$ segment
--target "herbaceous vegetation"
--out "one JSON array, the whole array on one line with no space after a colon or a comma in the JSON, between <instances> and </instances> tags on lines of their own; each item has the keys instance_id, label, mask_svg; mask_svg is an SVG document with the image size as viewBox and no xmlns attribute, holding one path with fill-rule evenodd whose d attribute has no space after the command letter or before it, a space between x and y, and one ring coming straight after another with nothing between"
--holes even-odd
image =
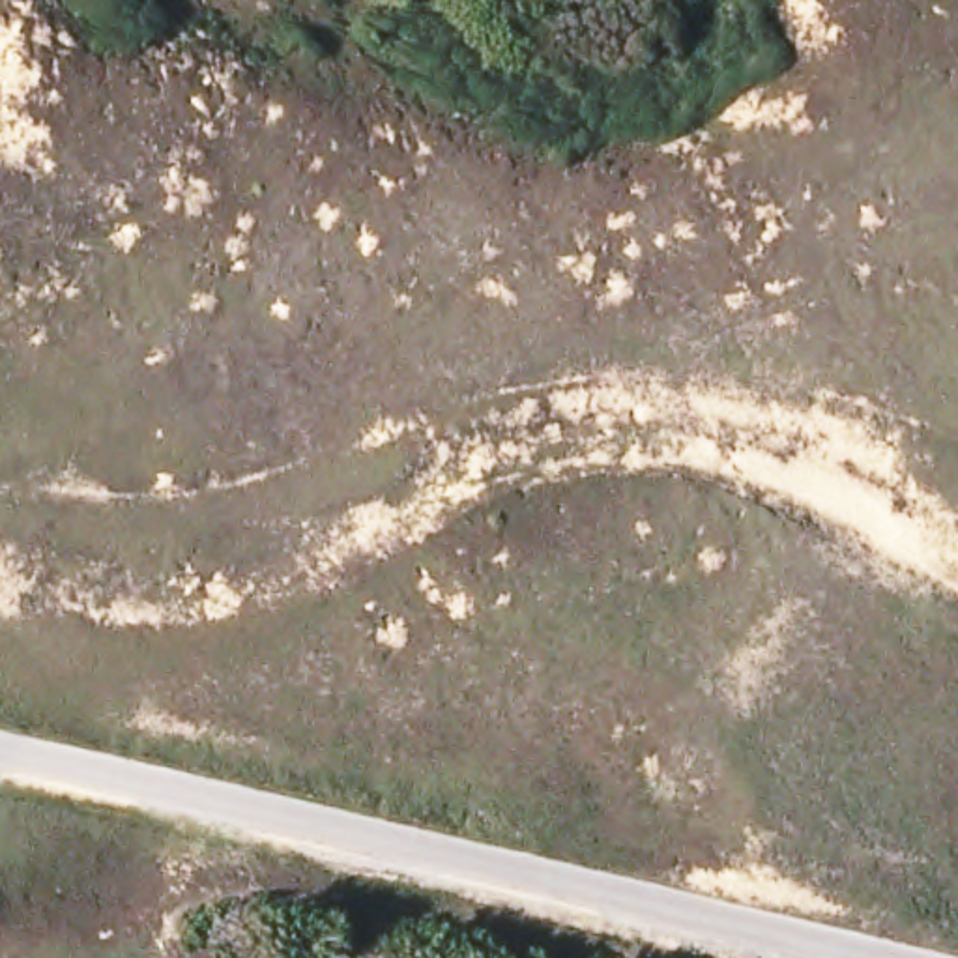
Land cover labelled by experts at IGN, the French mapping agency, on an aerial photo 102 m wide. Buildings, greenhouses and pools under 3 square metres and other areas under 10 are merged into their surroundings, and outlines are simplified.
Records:
<instances>
[{"instance_id":1,"label":"herbaceous vegetation","mask_svg":"<svg viewBox=\"0 0 958 958\"><path fill-rule=\"evenodd\" d=\"M153 49L161 49L168 37L183 30L191 22L195 0L146 0L161 11L161 26L150 30Z\"/></svg>"},{"instance_id":2,"label":"herbaceous vegetation","mask_svg":"<svg viewBox=\"0 0 958 958\"><path fill-rule=\"evenodd\" d=\"M385 958L382 951L374 951L378 939L393 936L400 921L419 921L430 902L460 917L475 917L475 909L483 906L457 891L341 876L326 891L307 894L303 913L344 913L348 943L359 958Z\"/></svg>"},{"instance_id":3,"label":"herbaceous vegetation","mask_svg":"<svg viewBox=\"0 0 958 958\"><path fill-rule=\"evenodd\" d=\"M573 468L535 490L501 486L472 501L457 501L438 516L442 528L430 531L423 543L393 543L385 558L359 550L341 565L341 588L318 595L307 591L307 576L296 565L299 520L333 524L337 516L370 501L400 505L415 494L415 479L434 464L434 445L412 434L400 434L378 449L363 449L363 434L378 419L430 415L438 438L445 438L445 427L468 423L486 412L520 408L513 397L498 397L498 385L610 367L662 370L670 389L685 389L692 374L715 374L719 382L733 378L745 389L752 382L752 363L775 363L778 370L820 367L827 389L853 397L872 397L876 389L887 389L894 397L894 412L921 415L917 449L932 453L932 468L921 468L913 475L924 490L939 494L947 509L958 513L958 0L820 0L820 15L823 22L838 26L838 41L831 41L827 49L797 49L790 75L782 75L771 86L741 94L733 105L722 109L722 116L707 120L700 131L670 142L610 142L584 165L565 165L565 157L554 146L509 138L501 131L509 112L505 101L472 120L460 116L449 97L434 97L430 86L393 86L382 71L367 64L367 52L352 41L341 41L337 56L318 52L311 64L284 52L277 64L262 67L262 79L251 90L236 82L232 112L195 112L195 90L187 86L187 79L172 86L172 75L157 79L157 64L150 52L135 60L112 60L109 52L97 52L86 37L82 19L75 19L60 0L30 0L34 11L22 22L22 64L41 67L41 79L26 90L26 116L49 127L52 135L52 172L26 176L0 161L0 543L11 543L19 554L41 550L41 584L56 584L79 561L105 561L105 576L112 580L123 573L135 573L138 580L146 573L161 573L168 580L183 576L187 565L195 565L195 576L206 584L213 576L225 576L228 588L236 588L240 580L266 584L281 573L292 580L292 599L277 599L266 606L247 599L236 614L206 617L202 625L109 625L90 621L86 614L64 614L52 636L26 640L7 621L11 632L0 640L0 730L659 883L666 872L726 872L726 864L719 861L719 835L692 831L692 808L685 808L681 801L659 801L651 793L644 760L666 752L674 741L715 745L722 748L726 767L741 775L741 782L752 793L752 823L771 835L763 864L775 868L782 879L793 879L846 906L846 913L816 913L812 921L958 954L958 595L939 588L932 595L906 599L902 591L891 591L883 584L861 584L857 576L842 576L835 565L823 565L812 554L812 543L831 543L835 524L816 516L808 505L797 505L782 490L756 486L748 479L733 483L726 475L707 475L689 464L640 472L621 472L606 464L595 472ZM165 210L161 176L168 172L172 146L195 146L202 153L198 161L180 165L183 176L198 176L210 183L210 202L195 217ZM707 180L692 172L692 157L719 157L730 150L741 153L741 165L722 172L722 187L707 187ZM756 206L778 206L786 195L797 195L805 187L812 187L812 202L805 206L805 213L790 225L790 232L771 240L760 262L745 266L745 254L763 236ZM79 296L26 299L19 307L15 288L34 281L45 284L49 266L60 266L60 273L79 288ZM49 483L60 472L79 472L82 479L109 486L109 501L52 498ZM427 602L419 591L423 573L434 576L442 591L468 595L468 614L453 617L445 606ZM812 591L827 591L816 632L816 640L823 644L820 662L797 662L790 674L775 674L778 692L771 700L756 700L748 715L730 707L722 696L707 696L696 685L704 662L715 662L707 647L722 644L733 655L748 640L748 629L771 617L778 602L808 599ZM153 737L135 726L138 711L161 711L183 722L225 726L240 733L240 745L213 748L206 741L187 737Z\"/></svg>"},{"instance_id":4,"label":"herbaceous vegetation","mask_svg":"<svg viewBox=\"0 0 958 958\"><path fill-rule=\"evenodd\" d=\"M165 868L157 857L165 849L165 831L172 827L172 820L127 805L79 801L67 793L0 782L0 958L217 958L210 951L187 951L180 939L168 947L168 954L153 947L153 936L165 921Z\"/></svg>"}]
</instances>

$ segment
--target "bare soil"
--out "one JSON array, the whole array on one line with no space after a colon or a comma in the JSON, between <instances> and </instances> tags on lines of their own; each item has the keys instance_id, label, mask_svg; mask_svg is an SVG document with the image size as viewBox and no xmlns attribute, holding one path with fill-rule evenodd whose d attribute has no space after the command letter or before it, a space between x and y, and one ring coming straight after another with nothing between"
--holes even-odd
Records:
<instances>
[{"instance_id":1,"label":"bare soil","mask_svg":"<svg viewBox=\"0 0 958 958\"><path fill-rule=\"evenodd\" d=\"M797 49L827 49L831 41L838 41L838 26L823 22L820 15L820 0L782 0L782 15Z\"/></svg>"},{"instance_id":2,"label":"bare soil","mask_svg":"<svg viewBox=\"0 0 958 958\"><path fill-rule=\"evenodd\" d=\"M666 752L644 760L651 793L659 801L681 801L685 808L692 808L692 831L719 835L719 861L726 864L726 872L666 872L659 883L730 906L752 906L760 913L812 921L816 913L846 913L846 906L793 879L782 879L775 868L763 864L771 835L752 823L752 793L741 782L741 775L726 767L722 748L715 745L674 741Z\"/></svg>"},{"instance_id":3,"label":"bare soil","mask_svg":"<svg viewBox=\"0 0 958 958\"><path fill-rule=\"evenodd\" d=\"M894 449L902 457L902 468L913 475L921 468L932 468L932 453L917 449L921 415L894 412L894 397L887 389L876 389L872 397L853 397L827 389L820 367L778 370L775 363L752 363L752 382L745 389L733 378L719 382L715 374L692 374L685 389L719 393L722 400L737 404L752 400L801 412L812 408L872 427L868 442Z\"/></svg>"},{"instance_id":4,"label":"bare soil","mask_svg":"<svg viewBox=\"0 0 958 958\"><path fill-rule=\"evenodd\" d=\"M213 748L240 745L240 733L225 726L183 722L161 711L138 711L135 726L153 737L187 737L206 741Z\"/></svg>"},{"instance_id":5,"label":"bare soil","mask_svg":"<svg viewBox=\"0 0 958 958\"><path fill-rule=\"evenodd\" d=\"M82 479L79 472L60 472L49 483L52 498L109 501L109 486Z\"/></svg>"},{"instance_id":6,"label":"bare soil","mask_svg":"<svg viewBox=\"0 0 958 958\"><path fill-rule=\"evenodd\" d=\"M771 617L748 629L748 640L733 655L722 644L707 647L715 662L704 662L696 685L707 696L722 696L730 707L748 715L756 700L771 700L778 692L775 674L790 674L797 662L820 662L823 644L816 640L816 632L827 591L812 591L808 599L778 602Z\"/></svg>"},{"instance_id":7,"label":"bare soil","mask_svg":"<svg viewBox=\"0 0 958 958\"><path fill-rule=\"evenodd\" d=\"M427 602L445 606L453 617L468 614L468 595L442 591L434 576L423 573L419 591Z\"/></svg>"},{"instance_id":8,"label":"bare soil","mask_svg":"<svg viewBox=\"0 0 958 958\"><path fill-rule=\"evenodd\" d=\"M823 565L835 565L842 576L857 576L861 584L883 584L891 591L902 591L906 599L932 595L939 588L928 573L876 550L857 528L835 524L831 543L812 543L812 554Z\"/></svg>"},{"instance_id":9,"label":"bare soil","mask_svg":"<svg viewBox=\"0 0 958 958\"><path fill-rule=\"evenodd\" d=\"M34 281L15 288L19 307L26 299L79 296L79 288L60 273L60 266L49 266L45 284Z\"/></svg>"},{"instance_id":10,"label":"bare soil","mask_svg":"<svg viewBox=\"0 0 958 958\"><path fill-rule=\"evenodd\" d=\"M202 153L195 146L172 146L168 172L161 176L165 210L195 217L210 202L210 183L198 176L183 176L180 165L198 161Z\"/></svg>"},{"instance_id":11,"label":"bare soil","mask_svg":"<svg viewBox=\"0 0 958 958\"><path fill-rule=\"evenodd\" d=\"M41 79L41 67L22 64L22 22L34 11L30 0L0 0L0 161L26 176L52 172L52 135L49 127L26 116L26 90Z\"/></svg>"},{"instance_id":12,"label":"bare soil","mask_svg":"<svg viewBox=\"0 0 958 958\"><path fill-rule=\"evenodd\" d=\"M240 60L206 52L202 64L187 56L191 41L206 41L210 30L183 30L168 37L161 49L153 49L150 52L157 64L157 79L172 75L172 86L187 79L187 86L195 90L195 112L232 112L236 82L232 79L240 75Z\"/></svg>"},{"instance_id":13,"label":"bare soil","mask_svg":"<svg viewBox=\"0 0 958 958\"><path fill-rule=\"evenodd\" d=\"M797 195L786 195L778 206L756 206L763 236L745 254L745 266L760 262L771 240L790 232L790 225L805 213L805 206L812 202L812 187L805 187Z\"/></svg>"},{"instance_id":14,"label":"bare soil","mask_svg":"<svg viewBox=\"0 0 958 958\"><path fill-rule=\"evenodd\" d=\"M741 153L730 150L719 157L692 157L692 172L707 180L707 187L722 187L722 172L741 165Z\"/></svg>"},{"instance_id":15,"label":"bare soil","mask_svg":"<svg viewBox=\"0 0 958 958\"><path fill-rule=\"evenodd\" d=\"M165 868L165 921L153 936L153 947L168 954L168 947L180 939L180 924L187 913L213 906L221 898L251 898L258 891L281 887L307 894L326 891L341 876L337 868L296 849L228 838L213 827L180 816L172 820L172 827L165 831L165 849L157 857Z\"/></svg>"}]
</instances>

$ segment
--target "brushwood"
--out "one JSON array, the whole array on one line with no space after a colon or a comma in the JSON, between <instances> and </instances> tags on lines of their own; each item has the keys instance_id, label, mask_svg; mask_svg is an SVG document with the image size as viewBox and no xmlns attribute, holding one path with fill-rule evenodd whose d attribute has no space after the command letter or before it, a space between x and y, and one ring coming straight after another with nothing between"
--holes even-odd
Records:
<instances>
[{"instance_id":1,"label":"brushwood","mask_svg":"<svg viewBox=\"0 0 958 958\"><path fill-rule=\"evenodd\" d=\"M771 86L782 75L790 75L797 49L782 15L782 0L195 0L191 22L183 30L210 30L206 41L191 41L187 56L202 64L206 52L240 60L240 75L232 79L236 82L251 90L262 79L262 67L277 64L284 52L311 64L318 52L337 56L341 41L352 41L367 52L367 64L382 71L393 86L430 86L434 97L449 97L460 116L472 120L505 101L509 112L501 131L509 138L554 146L565 157L565 165L584 165L610 142L670 142L700 131L707 120L722 116L722 109L733 105L741 94Z\"/></svg>"},{"instance_id":2,"label":"brushwood","mask_svg":"<svg viewBox=\"0 0 958 958\"><path fill-rule=\"evenodd\" d=\"M644 939L565 928L505 906L483 906L475 909L475 917L460 917L430 902L419 921L400 921L393 936L378 939L374 951L382 951L385 958L711 958L700 951L659 951Z\"/></svg>"},{"instance_id":3,"label":"brushwood","mask_svg":"<svg viewBox=\"0 0 958 958\"><path fill-rule=\"evenodd\" d=\"M150 52L153 49L150 30L161 26L161 11L146 0L60 0L75 19L82 19L86 37L97 52L109 52L112 60L135 60Z\"/></svg>"},{"instance_id":4,"label":"brushwood","mask_svg":"<svg viewBox=\"0 0 958 958\"><path fill-rule=\"evenodd\" d=\"M221 898L213 906L187 913L180 924L180 939L187 951L210 951L217 958L359 958L348 943L344 913L303 913L307 894L281 887L258 891L251 898Z\"/></svg>"}]
</instances>

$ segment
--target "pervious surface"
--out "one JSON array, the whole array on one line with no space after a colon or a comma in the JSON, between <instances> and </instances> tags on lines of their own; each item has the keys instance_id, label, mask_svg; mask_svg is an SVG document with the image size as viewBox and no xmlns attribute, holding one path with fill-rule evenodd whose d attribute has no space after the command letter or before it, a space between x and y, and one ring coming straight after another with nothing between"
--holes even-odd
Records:
<instances>
[{"instance_id":1,"label":"pervious surface","mask_svg":"<svg viewBox=\"0 0 958 958\"><path fill-rule=\"evenodd\" d=\"M0 543L0 640L11 632L7 621L26 640L52 636L64 614L86 614L90 621L109 625L202 625L206 617L236 614L247 599L266 606L277 599L292 599L292 580L281 573L266 584L240 580L236 588L228 588L225 576L213 576L206 584L195 576L195 565L187 565L183 576L168 580L161 573L146 573L138 580L135 573L123 573L112 580L105 576L105 561L79 561L56 584L41 584L41 550L19 554L11 543Z\"/></svg>"},{"instance_id":2,"label":"pervious surface","mask_svg":"<svg viewBox=\"0 0 958 958\"><path fill-rule=\"evenodd\" d=\"M760 913L752 906L730 906L659 883L0 730L0 782L67 793L79 801L127 805L172 820L180 816L213 827L228 838L296 849L337 868L341 876L457 891L483 906L505 906L565 928L644 939L659 951L700 951L711 958L958 958L958 954L812 921Z\"/></svg>"},{"instance_id":3,"label":"pervious surface","mask_svg":"<svg viewBox=\"0 0 958 958\"><path fill-rule=\"evenodd\" d=\"M400 505L370 501L337 516L333 524L299 520L296 565L307 576L307 591L318 595L341 588L341 565L359 550L385 558L393 543L423 543L430 531L442 528L438 516L457 501L472 501L501 486L535 490L573 468L595 472L606 464L621 472L640 472L689 464L707 475L726 475L733 483L748 479L756 486L782 490L797 505L808 505L816 516L835 524L857 528L876 550L928 573L939 588L958 595L958 513L947 509L939 494L924 490L913 475L902 468L902 457L894 449L868 442L872 427L812 408L801 412L752 400L737 404L722 400L719 393L685 389L670 389L662 370L610 367L498 385L498 397L513 397L520 408L486 412L468 423L445 427L445 438L438 438L430 415L378 419L363 434L363 449L378 449L400 434L412 434L434 445L434 464L415 479L415 494Z\"/></svg>"}]
</instances>

